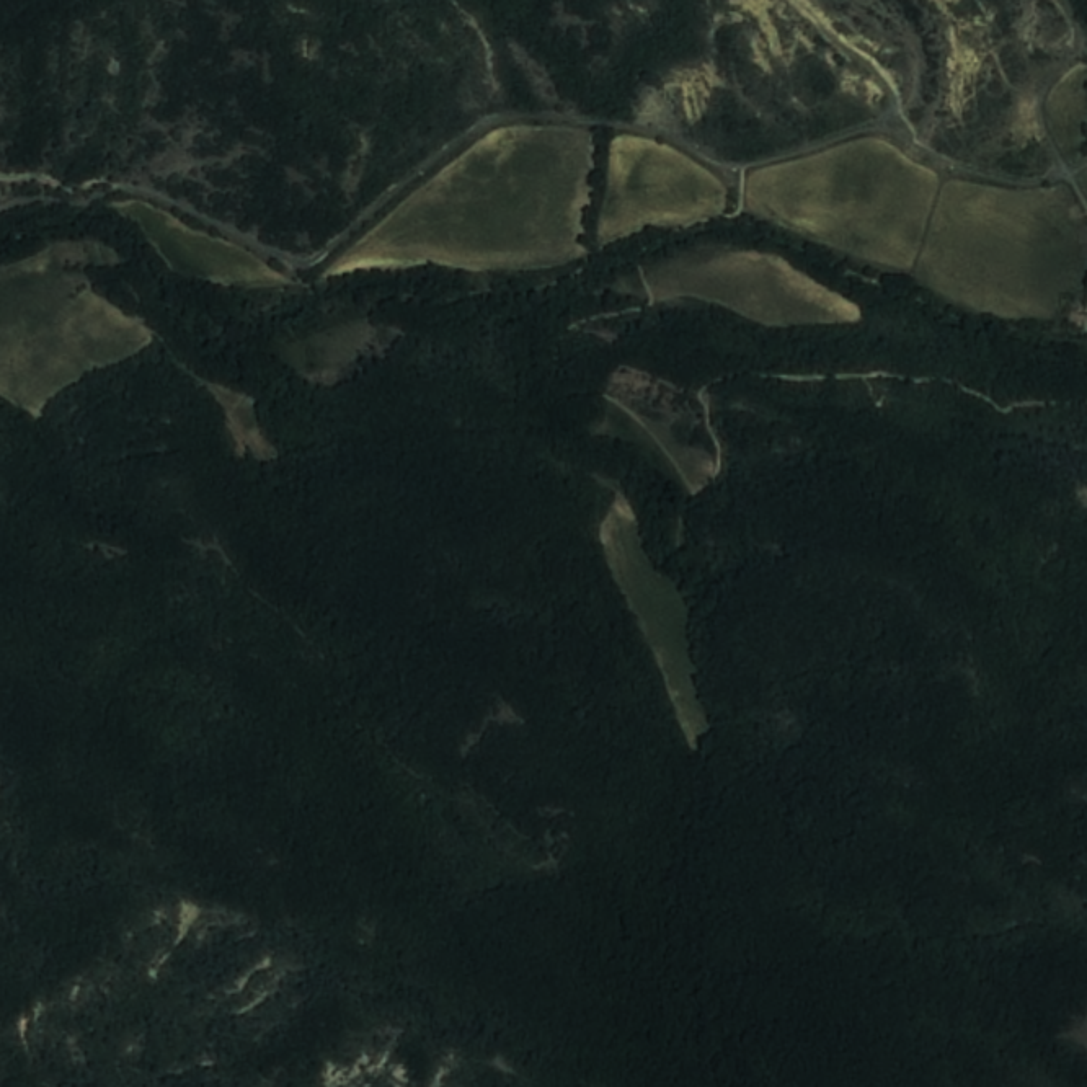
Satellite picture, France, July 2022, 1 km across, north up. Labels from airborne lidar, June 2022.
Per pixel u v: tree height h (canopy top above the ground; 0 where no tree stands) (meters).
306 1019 6
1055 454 10
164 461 11
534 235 0
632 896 22
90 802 7
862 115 0
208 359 15
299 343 0
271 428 13
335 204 9
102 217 19
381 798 13
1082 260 0
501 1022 7
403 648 9
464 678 9
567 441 16
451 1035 13
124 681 10
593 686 11
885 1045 11
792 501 9
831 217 0
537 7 9
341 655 12
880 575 6
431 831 6
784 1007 12
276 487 11
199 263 0
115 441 7
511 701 6
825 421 11
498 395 12
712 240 7
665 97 0
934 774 7
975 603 14
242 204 6
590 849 14
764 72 0
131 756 15
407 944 6
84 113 11
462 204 0
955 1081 8
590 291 9
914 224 0
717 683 8
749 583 13
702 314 9
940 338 6
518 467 12
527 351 12
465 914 9
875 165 0
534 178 0
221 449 9
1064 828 9
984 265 0
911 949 8
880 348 10
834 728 9
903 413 6
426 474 15
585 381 8
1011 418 6
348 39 6
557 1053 11
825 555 7
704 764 21
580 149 0
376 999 6
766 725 7
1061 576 9
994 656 7
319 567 15
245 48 7
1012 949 7
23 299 0
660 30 9
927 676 9
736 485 11
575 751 12
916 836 6
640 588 0
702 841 17
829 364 7
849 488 12
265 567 11
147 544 8
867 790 9
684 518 8
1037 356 12
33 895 7
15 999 6
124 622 7
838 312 0
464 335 10
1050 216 0
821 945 11
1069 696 12
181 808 8
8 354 0
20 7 8
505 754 8
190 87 6
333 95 7
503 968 7
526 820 8
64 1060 6
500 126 0
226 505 13
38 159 11
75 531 10
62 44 6
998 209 0
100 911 7
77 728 8
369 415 10
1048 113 0
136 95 14
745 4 0
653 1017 16
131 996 6
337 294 12
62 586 10
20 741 10
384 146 8
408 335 10
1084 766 8
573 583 15
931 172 0
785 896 10
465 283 13
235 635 6
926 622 6
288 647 8
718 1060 16
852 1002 11
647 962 21
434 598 9
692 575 16
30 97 8
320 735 14
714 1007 17
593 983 16
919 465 10
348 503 9
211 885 7
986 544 7
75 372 0
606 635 11
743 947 10
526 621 9
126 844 9
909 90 0
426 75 8
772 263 0
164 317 13
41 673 8
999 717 8
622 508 0
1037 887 7
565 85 14
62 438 8
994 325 19
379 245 0
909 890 9
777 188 0
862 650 8
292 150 9
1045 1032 9
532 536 8
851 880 12
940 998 8
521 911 13
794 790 14
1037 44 0
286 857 9
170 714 8
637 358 10
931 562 10
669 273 0
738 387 9
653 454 0
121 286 8
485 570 8
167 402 7
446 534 11
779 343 7
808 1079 13
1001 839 7
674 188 0
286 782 7
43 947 6
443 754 8
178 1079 7
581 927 19
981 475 8
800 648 5
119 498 6
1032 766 8
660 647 0
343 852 15
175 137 7
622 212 0
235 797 10
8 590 13
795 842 13
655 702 12
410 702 10
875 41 0
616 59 6
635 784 16
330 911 7
